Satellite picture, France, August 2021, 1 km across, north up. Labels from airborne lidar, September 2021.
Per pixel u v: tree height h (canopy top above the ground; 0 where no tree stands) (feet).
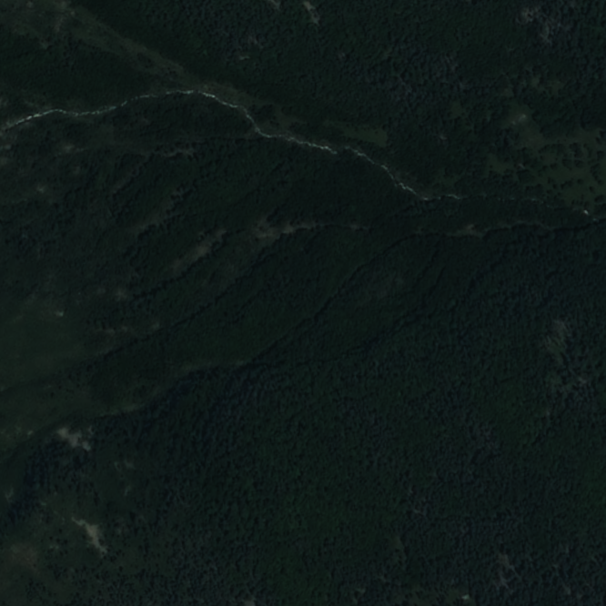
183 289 70
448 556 70
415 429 91
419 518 82
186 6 90
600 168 26
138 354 31
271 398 87
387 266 26
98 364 27
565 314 74
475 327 83
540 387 74
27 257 24
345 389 78
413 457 71
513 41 55
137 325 46
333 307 19
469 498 95
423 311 51
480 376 102
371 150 27
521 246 70
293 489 56
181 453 31
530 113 0
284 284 29
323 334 20
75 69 36
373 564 96
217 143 49
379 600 86
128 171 41
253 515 58
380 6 77
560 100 50
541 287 100
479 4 83
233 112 33
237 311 34
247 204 60
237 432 60
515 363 62
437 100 65
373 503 73
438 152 61
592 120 59
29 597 19
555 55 63
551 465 73
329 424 74
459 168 53
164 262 49
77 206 46
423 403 63
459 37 66
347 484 72
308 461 64
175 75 25
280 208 32
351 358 66
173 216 50
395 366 88
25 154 18
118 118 27
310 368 66
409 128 76
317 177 53
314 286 69
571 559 58
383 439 99
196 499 29
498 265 45
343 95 91
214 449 77
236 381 70
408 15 41
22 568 0
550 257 94
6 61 48
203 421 45
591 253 85
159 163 50
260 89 27
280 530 66
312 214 38
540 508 58
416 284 27
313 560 67
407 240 40
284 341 27
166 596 44
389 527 64
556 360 79
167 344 31
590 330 68
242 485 64
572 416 72
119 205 42
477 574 65
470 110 34
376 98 53
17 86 25
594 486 59
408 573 28
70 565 0
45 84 30
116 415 18
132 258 55
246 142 71
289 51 43
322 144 19
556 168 49
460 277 53
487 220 40
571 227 51
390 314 34
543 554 60
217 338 44
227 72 43
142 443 31
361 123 24
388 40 66
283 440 61
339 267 67
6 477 0
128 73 39
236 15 48
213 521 56
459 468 123
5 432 0
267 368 52
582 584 79
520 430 78
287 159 59
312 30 72
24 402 0
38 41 34
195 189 53
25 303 0
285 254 50
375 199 35
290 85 65
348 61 67
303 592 65
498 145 50
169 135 38
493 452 76
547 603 76
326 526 67
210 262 60
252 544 47
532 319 101
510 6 87
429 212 29
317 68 62
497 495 79
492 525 106
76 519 0
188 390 21
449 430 75
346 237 71
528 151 52
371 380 73
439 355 69
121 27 32
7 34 68
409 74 75
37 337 0
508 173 32
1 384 0
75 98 26
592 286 71
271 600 76
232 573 39
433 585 39
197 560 56
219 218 64
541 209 35
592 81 51
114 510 25
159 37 38
